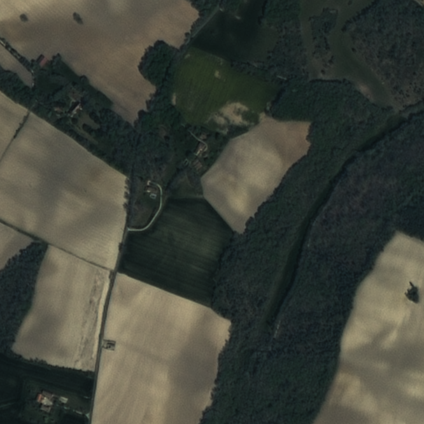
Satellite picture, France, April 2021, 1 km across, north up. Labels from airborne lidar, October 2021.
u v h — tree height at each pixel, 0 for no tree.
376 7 17
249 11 0
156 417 0
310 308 17
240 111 0
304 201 23
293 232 25
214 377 0
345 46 0
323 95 23
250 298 6
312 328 14
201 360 0
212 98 0
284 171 0
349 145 22
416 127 23
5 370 0
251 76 8
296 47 9
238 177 0
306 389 20
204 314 0
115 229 0
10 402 0
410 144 13
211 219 0
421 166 14
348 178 23
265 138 0
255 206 0
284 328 8
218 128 0
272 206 21
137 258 0
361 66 0
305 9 0
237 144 0
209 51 0
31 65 8
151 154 22
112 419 0
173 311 0
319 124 23
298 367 22
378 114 22
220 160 0
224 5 21
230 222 0
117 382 0
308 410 22
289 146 0
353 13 0
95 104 13
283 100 20
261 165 0
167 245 0
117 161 16
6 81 12
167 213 0
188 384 0
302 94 22
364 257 9
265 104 0
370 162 26
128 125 12
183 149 0
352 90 23
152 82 18
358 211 12
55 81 12
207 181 0
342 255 10
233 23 0
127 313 0
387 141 16
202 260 0
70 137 10
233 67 11
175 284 0
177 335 0
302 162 14
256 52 0
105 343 0
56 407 7
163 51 23
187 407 0
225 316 9
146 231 0
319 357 11
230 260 14
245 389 25
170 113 22
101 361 0
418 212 21
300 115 19
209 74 0
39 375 0
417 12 17
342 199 12
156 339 0
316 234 14
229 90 0
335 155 22
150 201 0
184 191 0
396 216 21
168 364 0
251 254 17
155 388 0
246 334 15
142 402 0
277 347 6
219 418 22
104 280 0
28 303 17
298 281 16
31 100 17
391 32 15
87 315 0
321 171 18
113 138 19
